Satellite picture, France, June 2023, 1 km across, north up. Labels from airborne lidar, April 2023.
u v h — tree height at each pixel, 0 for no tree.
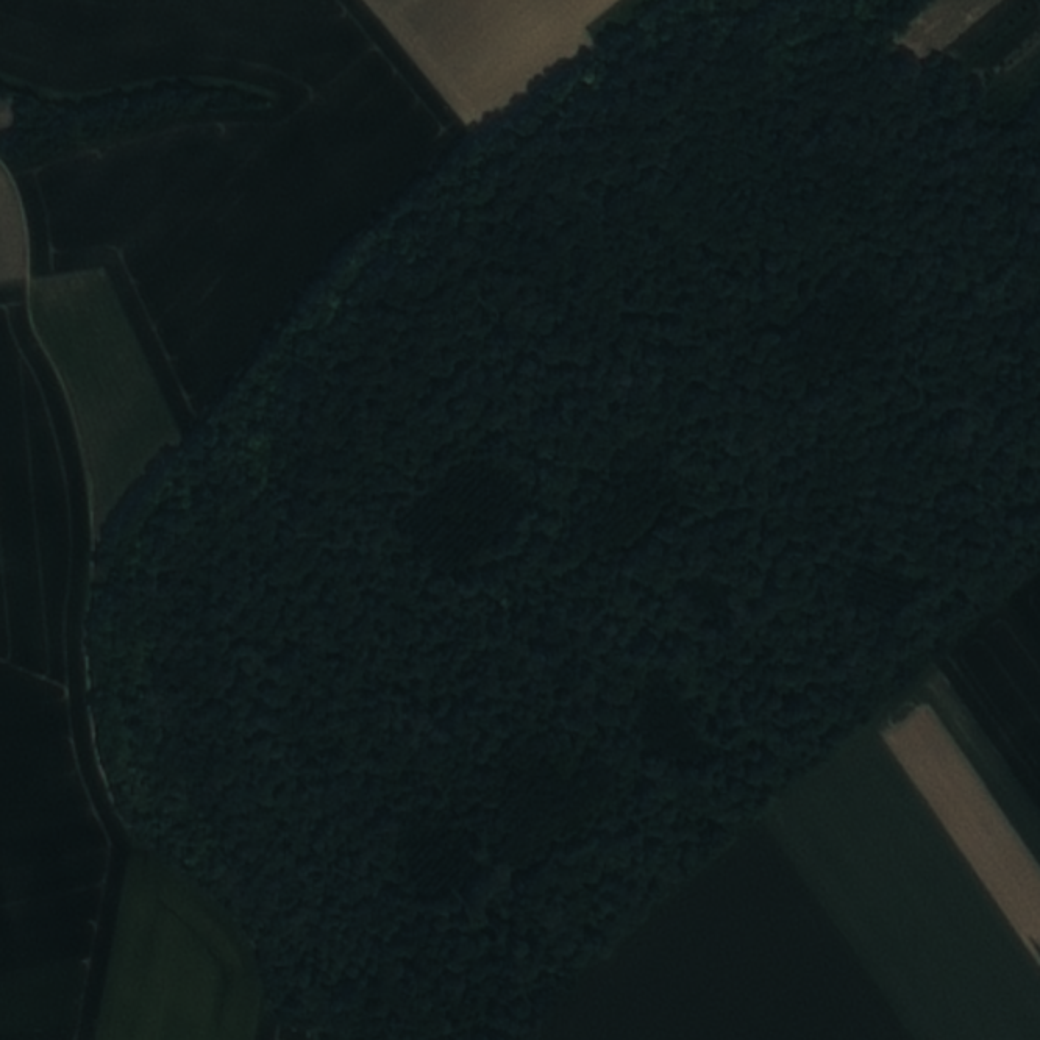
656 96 25
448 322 23
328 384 27
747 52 31
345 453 24
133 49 0
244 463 9
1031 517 25
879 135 27
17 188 0
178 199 0
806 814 0
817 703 22
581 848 21
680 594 26
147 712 23
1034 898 0
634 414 22
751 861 0
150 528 17
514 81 0
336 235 0
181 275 0
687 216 25
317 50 0
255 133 0
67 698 0
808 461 22
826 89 29
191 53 0
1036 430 26
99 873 0
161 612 15
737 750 20
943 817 0
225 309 0
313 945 9
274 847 22
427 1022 22
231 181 0
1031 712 0
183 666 20
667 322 26
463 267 11
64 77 0
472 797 12
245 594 21
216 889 19
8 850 0
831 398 25
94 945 0
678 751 13
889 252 11
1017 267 24
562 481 23
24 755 0
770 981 0
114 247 0
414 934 23
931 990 0
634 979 0
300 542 17
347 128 0
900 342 24
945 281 21
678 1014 0
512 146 23
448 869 11
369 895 23
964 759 0
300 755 18
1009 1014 0
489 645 25
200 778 21
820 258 24
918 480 25
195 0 0
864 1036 0
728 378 25
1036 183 25
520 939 22
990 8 0
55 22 0
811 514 28
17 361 0
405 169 0
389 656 20
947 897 0
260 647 22
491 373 27
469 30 0
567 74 21
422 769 25
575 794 22
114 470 0
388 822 22
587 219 22
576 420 27
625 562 24
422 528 11
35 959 0
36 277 0
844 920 0
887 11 17
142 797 13
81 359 0
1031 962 0
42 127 18
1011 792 0
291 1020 15
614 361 24
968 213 22
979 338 22
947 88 20
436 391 22
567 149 23
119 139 0
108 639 15
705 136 23
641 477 18
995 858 0
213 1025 0
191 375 0
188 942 0
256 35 0
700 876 0
